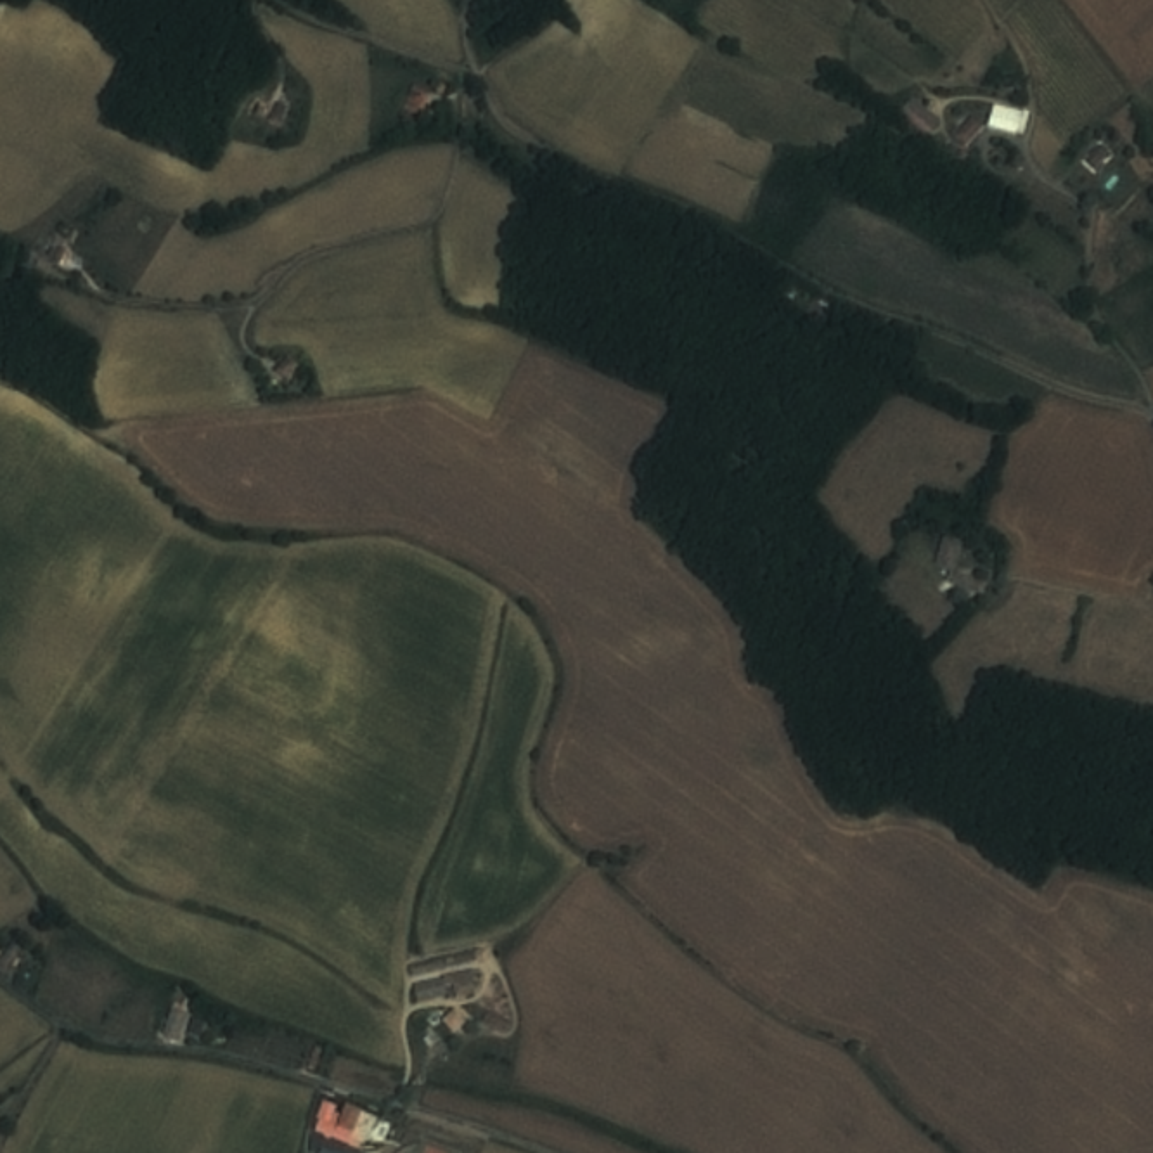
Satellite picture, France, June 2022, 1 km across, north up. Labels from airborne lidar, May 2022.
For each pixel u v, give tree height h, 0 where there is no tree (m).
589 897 0
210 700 0
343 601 0
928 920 0
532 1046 0
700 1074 0
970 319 0
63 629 0
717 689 0
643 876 0
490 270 0
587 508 0
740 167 0
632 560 0
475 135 15
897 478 0
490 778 0
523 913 0
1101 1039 0
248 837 0
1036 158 0
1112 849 15
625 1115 0
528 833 0
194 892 0
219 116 11
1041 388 0
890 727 19
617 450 0
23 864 0
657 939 0
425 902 0
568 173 18
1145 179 0
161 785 0
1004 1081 0
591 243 18
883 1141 0
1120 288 0
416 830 0
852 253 0
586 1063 0
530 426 0
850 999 0
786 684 16
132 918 0
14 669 0
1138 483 0
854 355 19
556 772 0
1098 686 0
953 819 13
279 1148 0
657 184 0
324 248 0
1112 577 0
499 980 0
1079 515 0
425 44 0
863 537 0
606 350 17
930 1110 0
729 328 18
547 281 13
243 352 0
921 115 0
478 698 0
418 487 0
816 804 0
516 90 0
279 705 0
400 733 0
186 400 0
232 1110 0
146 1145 0
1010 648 0
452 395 0
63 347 13
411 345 0
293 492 0
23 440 0
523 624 0
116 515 0
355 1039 0
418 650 0
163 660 0
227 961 0
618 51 0
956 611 8
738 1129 0
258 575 0
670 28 0
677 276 17
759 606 16
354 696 0
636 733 0
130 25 24
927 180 13
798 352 21
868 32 0
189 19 27
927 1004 0
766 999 0
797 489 18
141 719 0
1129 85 0
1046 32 0
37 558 0
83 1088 0
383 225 0
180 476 0
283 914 0
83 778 0
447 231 0
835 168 7
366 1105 8
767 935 0
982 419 12
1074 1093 0
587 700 0
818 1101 0
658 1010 0
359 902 0
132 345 0
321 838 0
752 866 0
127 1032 0
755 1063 0
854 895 0
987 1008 0
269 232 0
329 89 0
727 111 0
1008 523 0
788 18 0
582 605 0
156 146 7
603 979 0
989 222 6
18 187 0
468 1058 0
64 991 0
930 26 0
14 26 0
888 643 20
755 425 17
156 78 20
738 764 0
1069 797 16
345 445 0
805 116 0
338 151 0
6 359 11
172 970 0
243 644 0
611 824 0
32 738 0
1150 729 18
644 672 0
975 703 18
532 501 0
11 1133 13
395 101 6
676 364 19
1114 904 0
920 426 0
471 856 0
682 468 22
